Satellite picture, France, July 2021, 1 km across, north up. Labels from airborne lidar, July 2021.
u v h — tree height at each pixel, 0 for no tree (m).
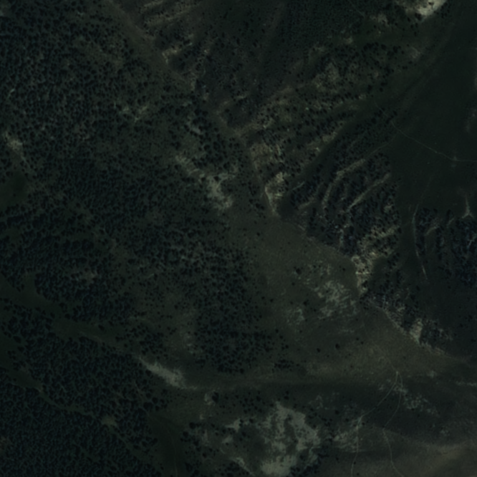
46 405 23
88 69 9
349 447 0
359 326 0
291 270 0
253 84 0
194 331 0
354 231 13
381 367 0
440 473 0
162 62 0
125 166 12
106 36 10
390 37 0
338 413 10
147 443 17
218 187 0
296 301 0
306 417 0
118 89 14
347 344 0
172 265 11
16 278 17
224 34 10
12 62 17
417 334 0
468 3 0
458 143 0
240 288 9
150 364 0
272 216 0
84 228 11
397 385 0
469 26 0
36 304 0
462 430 0
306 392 0
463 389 0
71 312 0
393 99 0
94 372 22
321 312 0
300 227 0
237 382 0
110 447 22
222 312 14
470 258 0
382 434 0
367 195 0
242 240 0
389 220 9
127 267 6
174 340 0
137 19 0
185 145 0
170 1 0
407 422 0
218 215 0
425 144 0
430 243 0
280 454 0
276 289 0
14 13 8
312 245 0
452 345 0
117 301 8
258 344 11
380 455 0
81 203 7
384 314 0
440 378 0
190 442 10
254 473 0
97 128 10
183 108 9
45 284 13
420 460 0
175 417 0
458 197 0
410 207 0
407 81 0
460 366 0
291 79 0
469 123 0
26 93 8
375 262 0
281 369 7
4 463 19
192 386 0
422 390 0
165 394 7
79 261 17
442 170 0
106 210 12
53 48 12
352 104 0
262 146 0
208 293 10
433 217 6
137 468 17
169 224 9
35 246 15
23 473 20
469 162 0
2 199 0
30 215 11
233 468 8
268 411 0
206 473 0
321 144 0
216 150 13
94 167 13
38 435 15
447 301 0
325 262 0
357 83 0
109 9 0
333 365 0
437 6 0
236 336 14
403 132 0
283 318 0
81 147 11
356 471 0
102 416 17
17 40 16
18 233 0
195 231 14
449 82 0
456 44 0
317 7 8
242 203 0
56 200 9
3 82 12
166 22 0
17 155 0
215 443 0
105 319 16
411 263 0
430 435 0
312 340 0
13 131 8
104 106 9
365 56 16
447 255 6
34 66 15
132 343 6
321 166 10
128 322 10
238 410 0
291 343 0
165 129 0
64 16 12
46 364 12
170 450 0
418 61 0
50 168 7
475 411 0
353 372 0
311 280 0
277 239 0
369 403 0
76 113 9
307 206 0
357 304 0
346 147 13
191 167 0
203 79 0
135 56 0
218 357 12
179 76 0
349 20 7
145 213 14
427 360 0
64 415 8
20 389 12
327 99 7
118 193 7
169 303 0
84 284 11
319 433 0
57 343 18
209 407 0
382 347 0
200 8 0
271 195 0
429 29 0
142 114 0
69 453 12
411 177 0
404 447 0
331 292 0
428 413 0
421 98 0
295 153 0
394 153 0
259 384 0
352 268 0
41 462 16
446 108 0
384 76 12
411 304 0
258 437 0
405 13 10
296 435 0
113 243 0
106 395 14
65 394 21
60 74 12
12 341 0
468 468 0
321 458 8
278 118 9
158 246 11
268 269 0
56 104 11
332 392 0
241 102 10
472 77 0
